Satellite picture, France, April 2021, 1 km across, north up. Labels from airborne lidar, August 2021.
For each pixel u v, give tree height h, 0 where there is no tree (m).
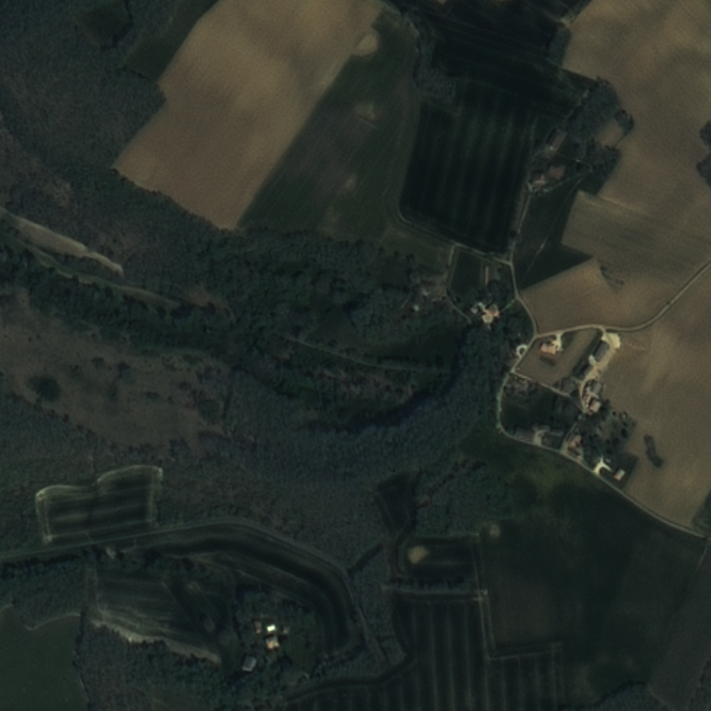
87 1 17
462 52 0
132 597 0
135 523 0
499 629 0
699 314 0
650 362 0
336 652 0
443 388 7
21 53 13
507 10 0
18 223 0
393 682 0
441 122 0
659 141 0
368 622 16
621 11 0
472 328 13
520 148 0
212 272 19
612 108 21
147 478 0
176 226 24
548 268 0
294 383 26
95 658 13
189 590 0
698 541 0
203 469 12
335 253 16
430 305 16
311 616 16
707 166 14
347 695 0
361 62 0
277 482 13
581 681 0
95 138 15
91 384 0
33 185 10
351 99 0
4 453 13
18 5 20
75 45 17
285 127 0
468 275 0
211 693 13
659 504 0
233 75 0
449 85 18
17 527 7
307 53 0
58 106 16
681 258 0
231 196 0
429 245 0
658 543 0
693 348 0
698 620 0
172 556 0
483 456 0
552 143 0
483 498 17
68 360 0
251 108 0
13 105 14
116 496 0
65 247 0
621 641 0
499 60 0
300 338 25
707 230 0
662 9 0
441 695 0
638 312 0
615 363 0
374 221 0
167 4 21
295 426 24
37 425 17
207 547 0
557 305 0
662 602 0
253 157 0
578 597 0
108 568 28
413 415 19
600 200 0
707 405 0
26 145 13
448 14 0
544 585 0
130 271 20
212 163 0
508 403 0
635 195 0
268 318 16
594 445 12
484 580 0
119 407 0
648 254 0
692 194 0
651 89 0
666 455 0
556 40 16
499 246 0
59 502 0
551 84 0
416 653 0
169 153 0
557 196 0
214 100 0
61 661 0
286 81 0
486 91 0
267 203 0
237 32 0
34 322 0
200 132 0
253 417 16
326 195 0
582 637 0
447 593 12
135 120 18
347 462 18
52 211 18
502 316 7
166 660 21
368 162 0
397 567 0
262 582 0
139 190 9
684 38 0
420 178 0
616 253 0
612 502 0
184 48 0
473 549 0
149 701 11
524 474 0
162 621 0
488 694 0
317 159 0
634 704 17
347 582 0
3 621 0
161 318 7
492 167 0
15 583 20
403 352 0
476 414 19
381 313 16
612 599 0
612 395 0
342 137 0
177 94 0
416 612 0
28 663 0
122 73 15
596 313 0
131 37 18
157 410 0
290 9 0
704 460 0
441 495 21
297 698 0
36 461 13
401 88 0
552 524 0
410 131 0
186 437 0
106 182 19
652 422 0
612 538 0
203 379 16
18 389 0
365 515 18
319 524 11
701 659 0
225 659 0
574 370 6
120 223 14
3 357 0
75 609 16
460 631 0
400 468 14
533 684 0
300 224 0
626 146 0
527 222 0
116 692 6
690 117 0
